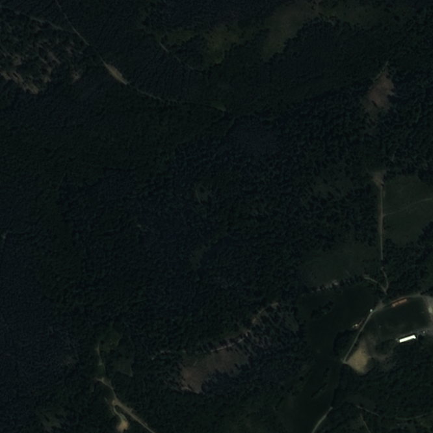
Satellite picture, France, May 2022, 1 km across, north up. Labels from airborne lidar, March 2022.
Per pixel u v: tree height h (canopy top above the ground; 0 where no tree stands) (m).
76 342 18
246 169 22
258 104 21
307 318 0
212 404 17
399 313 0
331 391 0
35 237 20
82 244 22
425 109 26
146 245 21
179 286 32
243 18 16
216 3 22
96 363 7
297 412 0
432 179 22
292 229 24
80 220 29
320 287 0
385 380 8
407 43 15
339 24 16
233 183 23
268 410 7
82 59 8
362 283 15
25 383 19
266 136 22
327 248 19
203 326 30
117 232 22
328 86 18
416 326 0
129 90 17
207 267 21
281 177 18
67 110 24
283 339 27
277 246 26
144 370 17
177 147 7
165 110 21
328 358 0
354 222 16
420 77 22
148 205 25
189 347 22
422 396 7
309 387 0
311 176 16
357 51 17
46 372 24
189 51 9
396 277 7
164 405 17
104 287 22
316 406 0
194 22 14
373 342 0
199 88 19
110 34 17
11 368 20
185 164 20
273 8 22
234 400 16
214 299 24
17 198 18
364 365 0
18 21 21
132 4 17
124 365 0
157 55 15
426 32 10
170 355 7
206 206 20
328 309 13
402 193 0
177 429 18
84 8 19
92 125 18
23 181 15
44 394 19
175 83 21
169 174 21
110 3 19
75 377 19
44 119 19
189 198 21
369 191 21
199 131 13
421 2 18
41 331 23
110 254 20
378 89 0
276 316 30
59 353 21
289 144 24
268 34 14
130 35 10
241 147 19
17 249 14
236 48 14
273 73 20
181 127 18
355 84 12
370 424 14
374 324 0
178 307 22
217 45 0
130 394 8
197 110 19
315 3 11
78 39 18
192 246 27
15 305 21
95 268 26
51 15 20
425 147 26
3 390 24
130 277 21
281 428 9
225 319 26
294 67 22
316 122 26
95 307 22
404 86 24
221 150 24
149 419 17
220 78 15
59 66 13
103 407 7
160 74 18
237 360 0
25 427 19
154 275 27
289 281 24
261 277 20
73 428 13
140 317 10
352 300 0
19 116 21
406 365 6
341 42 17
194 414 20
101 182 25
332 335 0
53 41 12
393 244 6
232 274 20
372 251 0
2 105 7
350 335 17
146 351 13
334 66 16
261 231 23
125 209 22
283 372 24
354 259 0
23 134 22
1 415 21
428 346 0
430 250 22
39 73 16
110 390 0
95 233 21
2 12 13
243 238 15
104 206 24
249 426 0
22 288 21
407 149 21
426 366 9
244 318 24
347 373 13
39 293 22
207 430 7
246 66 11
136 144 13
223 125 17
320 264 0
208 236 23
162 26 12
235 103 16
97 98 16
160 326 21
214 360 0
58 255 20
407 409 14
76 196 24
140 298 7
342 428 6
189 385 0
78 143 21
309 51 20
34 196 17
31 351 17
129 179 24
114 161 14
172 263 29
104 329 19
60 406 20
